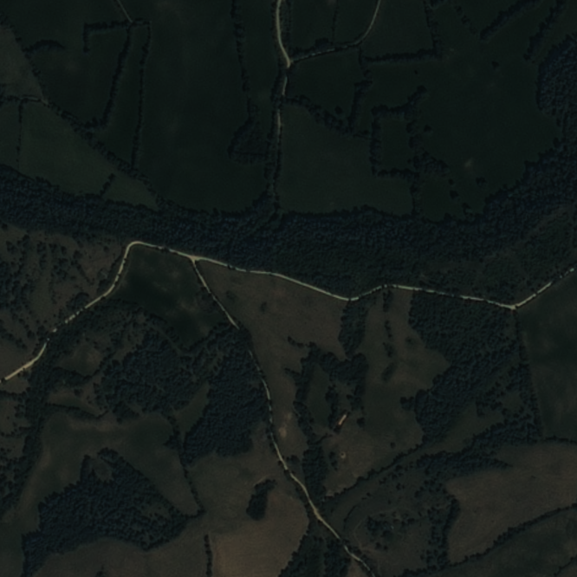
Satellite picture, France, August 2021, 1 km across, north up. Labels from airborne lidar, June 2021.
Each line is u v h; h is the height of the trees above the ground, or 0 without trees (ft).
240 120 0
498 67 36
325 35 0
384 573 0
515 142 0
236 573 0
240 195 0
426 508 0
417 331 35
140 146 42
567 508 21
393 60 45
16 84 0
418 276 43
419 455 0
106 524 43
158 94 0
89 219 30
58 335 31
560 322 0
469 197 0
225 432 57
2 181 56
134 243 0
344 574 35
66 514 54
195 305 0
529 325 0
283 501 0
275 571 0
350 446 0
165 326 35
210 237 24
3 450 31
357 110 45
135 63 0
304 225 67
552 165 72
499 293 31
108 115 44
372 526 37
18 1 0
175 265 0
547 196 42
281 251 24
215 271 0
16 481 30
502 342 43
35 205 48
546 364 0
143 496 19
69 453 0
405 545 0
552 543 0
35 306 0
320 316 0
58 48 51
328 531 27
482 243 41
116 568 0
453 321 26
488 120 0
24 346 25
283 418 0
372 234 63
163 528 20
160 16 0
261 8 0
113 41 0
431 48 0
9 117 0
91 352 0
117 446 0
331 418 29
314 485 47
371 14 0
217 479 0
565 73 54
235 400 52
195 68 0
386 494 0
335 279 37
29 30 0
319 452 34
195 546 0
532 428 40
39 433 32
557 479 0
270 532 0
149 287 0
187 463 36
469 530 0
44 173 0
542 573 0
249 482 0
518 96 0
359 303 33
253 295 0
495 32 30
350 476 0
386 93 0
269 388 26
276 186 23
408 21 0
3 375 0
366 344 0
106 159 27
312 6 0
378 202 0
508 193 60
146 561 0
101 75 0
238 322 20
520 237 47
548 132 0
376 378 0
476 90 0
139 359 46
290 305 0
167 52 0
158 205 26
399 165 0
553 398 0
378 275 28
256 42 0
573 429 0
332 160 0
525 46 0
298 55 47
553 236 22
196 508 0
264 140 23
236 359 38
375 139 19
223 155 0
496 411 36
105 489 49
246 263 62
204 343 22
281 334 0
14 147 0
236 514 0
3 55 0
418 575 38
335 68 0
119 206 31
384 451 0
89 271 0
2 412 0
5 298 43
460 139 0
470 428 0
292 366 0
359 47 20
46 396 42
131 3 0
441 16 0
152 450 0
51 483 0
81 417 20
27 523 0
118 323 26
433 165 69
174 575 0
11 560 0
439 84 0
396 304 0
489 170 0
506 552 0
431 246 54
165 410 53
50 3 0
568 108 27
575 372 0
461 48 0
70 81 0
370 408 0
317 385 0
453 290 21
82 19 0
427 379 0
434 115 0
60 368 23
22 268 35
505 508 0
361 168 0
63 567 0
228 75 0
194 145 0
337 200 0
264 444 0
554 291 0
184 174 0
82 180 0
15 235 0
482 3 0
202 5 0
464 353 33
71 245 0
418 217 47
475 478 0
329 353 22
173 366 43
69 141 0
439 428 56
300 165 0
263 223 46
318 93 0
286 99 27
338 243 33
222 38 0
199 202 0
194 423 0
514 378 35
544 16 0
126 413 42
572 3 0
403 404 41
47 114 0
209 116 0
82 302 25
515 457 0
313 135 0
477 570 0
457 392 58
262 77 0
